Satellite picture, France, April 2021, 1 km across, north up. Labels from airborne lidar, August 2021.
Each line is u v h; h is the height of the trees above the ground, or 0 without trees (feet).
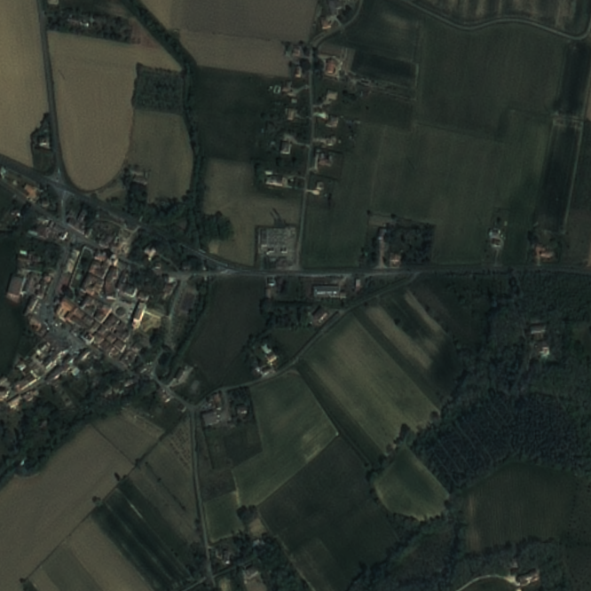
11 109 0
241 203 0
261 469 0
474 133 0
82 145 0
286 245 0
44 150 20
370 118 0
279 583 45
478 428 55
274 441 0
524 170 0
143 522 0
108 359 40
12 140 0
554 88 0
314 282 0
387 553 0
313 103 0
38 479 0
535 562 59
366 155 0
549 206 0
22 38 0
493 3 0
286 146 0
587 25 0
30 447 51
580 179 0
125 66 0
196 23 0
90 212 37
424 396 0
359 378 0
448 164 0
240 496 0
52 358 0
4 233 22
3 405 40
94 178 0
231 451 0
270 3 0
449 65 0
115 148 0
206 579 51
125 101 0
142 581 0
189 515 0
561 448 79
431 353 0
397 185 0
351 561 0
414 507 0
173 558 0
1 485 32
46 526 0
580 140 0
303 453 0
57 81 0
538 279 32
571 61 0
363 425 0
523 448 68
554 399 42
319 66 33
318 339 0
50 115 26
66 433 45
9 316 0
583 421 42
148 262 51
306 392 0
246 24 0
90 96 0
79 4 0
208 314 25
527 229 0
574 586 60
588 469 24
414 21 0
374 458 0
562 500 0
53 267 22
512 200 0
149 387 72
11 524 0
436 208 0
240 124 0
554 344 46
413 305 0
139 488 0
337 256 0
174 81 39
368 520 0
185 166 0
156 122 0
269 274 0
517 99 0
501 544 0
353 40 0
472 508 0
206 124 0
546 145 0
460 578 58
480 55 0
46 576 0
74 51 0
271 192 0
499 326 80
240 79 0
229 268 0
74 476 0
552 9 0
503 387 61
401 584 24
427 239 43
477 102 0
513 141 0
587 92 0
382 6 0
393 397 0
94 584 0
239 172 0
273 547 62
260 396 0
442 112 0
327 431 0
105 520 0
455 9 0
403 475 0
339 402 0
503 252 0
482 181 0
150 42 0
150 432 0
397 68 0
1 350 0
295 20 0
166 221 56
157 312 0
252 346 21
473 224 0
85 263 35
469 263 0
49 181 0
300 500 0
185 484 0
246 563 35
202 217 24
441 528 43
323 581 0
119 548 0
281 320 30
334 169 0
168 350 70
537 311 50
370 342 0
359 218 0
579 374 72
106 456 0
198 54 0
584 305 20
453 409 19
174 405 0
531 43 0
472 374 55
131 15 0
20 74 0
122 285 0
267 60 0
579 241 0
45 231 0
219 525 0
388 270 0
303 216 0
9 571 0
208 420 0
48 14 27
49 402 22
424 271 0
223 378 0
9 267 0
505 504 0
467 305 53
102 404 64
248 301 0
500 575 55
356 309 0
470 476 30
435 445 50
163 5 0
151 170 0
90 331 0
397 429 0
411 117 0
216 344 0
